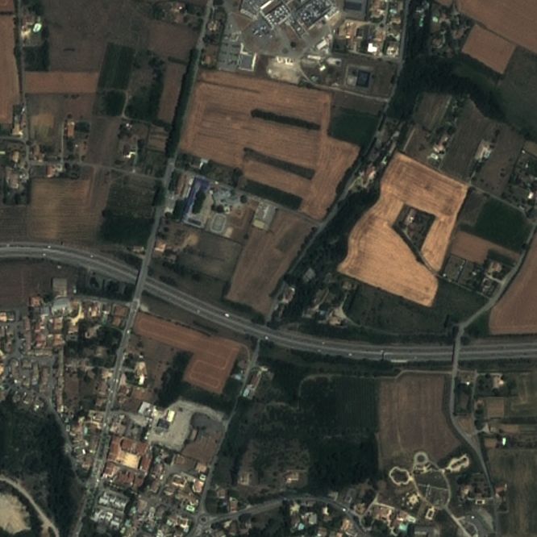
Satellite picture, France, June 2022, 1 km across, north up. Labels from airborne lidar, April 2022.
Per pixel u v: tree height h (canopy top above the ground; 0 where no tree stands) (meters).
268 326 8
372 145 9
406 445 0
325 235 9
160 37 0
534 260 0
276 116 6
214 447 0
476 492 8
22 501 13
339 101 0
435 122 0
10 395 6
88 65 0
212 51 0
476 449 0
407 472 0
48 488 7
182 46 0
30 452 5
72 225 0
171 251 8
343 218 7
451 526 0
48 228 0
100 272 0
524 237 0
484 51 0
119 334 8
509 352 0
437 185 0
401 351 0
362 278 0
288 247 0
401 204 0
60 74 0
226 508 7
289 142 0
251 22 0
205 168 13
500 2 0
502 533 0
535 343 0
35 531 16
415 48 10
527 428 0
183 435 0
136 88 0
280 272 0
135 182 0
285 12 0
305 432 9
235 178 7
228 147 0
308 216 0
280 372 7
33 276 0
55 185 0
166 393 10
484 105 13
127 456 0
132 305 0
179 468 0
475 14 0
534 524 0
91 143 0
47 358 0
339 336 8
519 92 0
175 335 0
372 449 6
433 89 7
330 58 0
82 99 0
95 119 0
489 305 0
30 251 0
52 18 0
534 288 0
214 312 0
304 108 0
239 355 0
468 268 0
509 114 0
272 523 9
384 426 0
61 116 0
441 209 0
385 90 0
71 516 11
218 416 0
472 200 0
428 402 0
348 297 8
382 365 9
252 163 0
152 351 0
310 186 0
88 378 9
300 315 8
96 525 7
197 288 0
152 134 0
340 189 12
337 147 0
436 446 0
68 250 0
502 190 0
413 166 0
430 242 0
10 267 0
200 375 0
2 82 0
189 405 0
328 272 7
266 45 0
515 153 0
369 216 0
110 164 0
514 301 0
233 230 0
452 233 0
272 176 0
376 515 0
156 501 0
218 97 0
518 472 0
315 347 0
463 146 0
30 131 0
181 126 17
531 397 0
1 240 0
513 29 0
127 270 0
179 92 0
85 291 10
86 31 0
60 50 0
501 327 0
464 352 0
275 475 6
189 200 0
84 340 7
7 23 0
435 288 0
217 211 7
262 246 0
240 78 0
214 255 0
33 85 0
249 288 0
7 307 0
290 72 0
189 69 14
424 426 0
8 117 0
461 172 0
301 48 0
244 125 0
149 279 0
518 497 0
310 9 0
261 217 0
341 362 11
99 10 0
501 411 0
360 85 0
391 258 0
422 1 9
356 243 0
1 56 0
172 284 7
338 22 0
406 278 0
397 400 0
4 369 0
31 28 0
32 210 0
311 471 10
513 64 0
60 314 0
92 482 0
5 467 11
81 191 0
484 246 0
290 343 0
